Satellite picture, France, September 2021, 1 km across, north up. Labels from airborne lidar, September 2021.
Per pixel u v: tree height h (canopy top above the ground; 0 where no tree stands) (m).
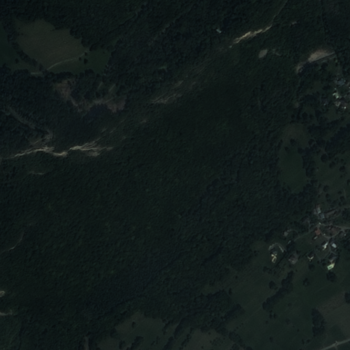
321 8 16
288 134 0
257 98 33
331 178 0
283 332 0
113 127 7
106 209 20
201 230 20
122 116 22
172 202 25
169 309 32
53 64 0
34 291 21
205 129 18
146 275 17
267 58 11
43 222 18
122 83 25
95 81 22
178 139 28
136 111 13
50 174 26
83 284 19
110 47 19
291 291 17
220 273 16
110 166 26
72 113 29
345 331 0
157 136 32
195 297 24
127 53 17
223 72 16
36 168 15
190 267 30
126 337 0
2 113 14
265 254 0
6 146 12
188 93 15
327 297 0
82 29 26
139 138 28
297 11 24
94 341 21
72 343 22
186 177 27
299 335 0
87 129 19
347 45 24
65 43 0
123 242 17
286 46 11
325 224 8
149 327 0
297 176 0
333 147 19
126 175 21
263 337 0
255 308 0
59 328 30
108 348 0
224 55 14
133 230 24
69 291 24
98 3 21
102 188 27
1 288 16
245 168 24
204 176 24
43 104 17
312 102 26
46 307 28
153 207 22
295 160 0
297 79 18
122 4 28
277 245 0
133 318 0
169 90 15
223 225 33
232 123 13
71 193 27
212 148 21
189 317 23
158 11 25
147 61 18
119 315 29
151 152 30
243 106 22
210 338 0
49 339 26
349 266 0
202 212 20
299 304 0
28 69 0
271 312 15
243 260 23
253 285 0
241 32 13
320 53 0
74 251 17
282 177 0
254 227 23
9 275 24
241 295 0
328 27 24
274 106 30
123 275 15
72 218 16
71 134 15
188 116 22
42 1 24
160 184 24
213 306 25
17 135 14
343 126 0
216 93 10
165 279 16
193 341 0
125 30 26
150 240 24
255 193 20
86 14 24
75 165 19
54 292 22
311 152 16
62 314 28
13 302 13
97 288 16
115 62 20
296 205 28
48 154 21
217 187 23
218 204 26
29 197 26
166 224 27
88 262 25
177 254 12
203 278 20
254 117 33
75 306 15
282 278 0
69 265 20
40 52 0
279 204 28
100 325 29
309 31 30
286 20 27
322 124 16
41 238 28
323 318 19
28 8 19
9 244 17
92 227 21
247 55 20
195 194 21
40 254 22
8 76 24
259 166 27
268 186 27
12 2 8
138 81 20
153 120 14
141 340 16
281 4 23
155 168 29
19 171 23
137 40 23
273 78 22
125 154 28
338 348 0
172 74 25
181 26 20
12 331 11
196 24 25
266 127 31
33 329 25
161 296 30
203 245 25
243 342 18
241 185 18
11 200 31
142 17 24
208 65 10
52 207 30
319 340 0
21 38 0
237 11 24
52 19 23
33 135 10
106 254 27
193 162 22
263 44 13
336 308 0
